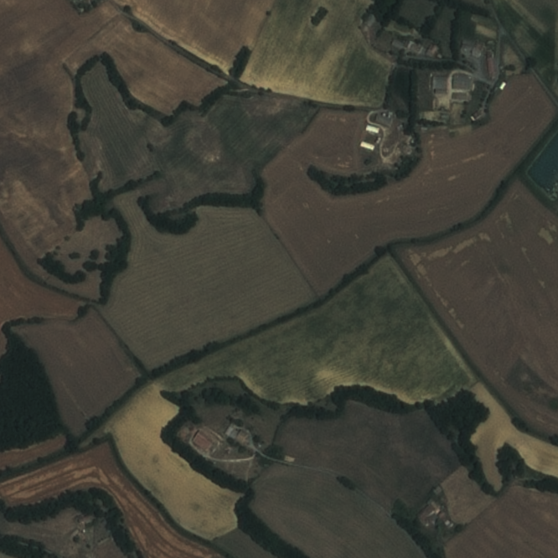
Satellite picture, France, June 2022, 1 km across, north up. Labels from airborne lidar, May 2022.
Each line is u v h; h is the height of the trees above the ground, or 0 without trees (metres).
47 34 0
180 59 0
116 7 0
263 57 0
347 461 0
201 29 0
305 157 0
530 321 0
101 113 0
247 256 0
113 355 0
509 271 0
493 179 0
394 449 0
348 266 0
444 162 0
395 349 0
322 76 0
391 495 0
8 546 13
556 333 0
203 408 0
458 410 18
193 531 0
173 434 9
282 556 16
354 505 0
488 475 0
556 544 0
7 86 0
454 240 0
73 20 0
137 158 0
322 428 0
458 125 0
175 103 0
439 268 0
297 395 0
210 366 0
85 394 0
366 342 0
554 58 0
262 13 0
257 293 0
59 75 0
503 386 0
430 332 0
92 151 0
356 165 0
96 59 12
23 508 19
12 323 12
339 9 0
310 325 0
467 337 0
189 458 19
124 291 0
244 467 0
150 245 0
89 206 17
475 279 0
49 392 6
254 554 0
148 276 0
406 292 0
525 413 0
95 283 0
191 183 0
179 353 0
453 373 0
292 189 0
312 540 0
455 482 0
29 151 0
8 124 0
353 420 0
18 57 0
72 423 0
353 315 0
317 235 0
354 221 0
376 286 0
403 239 0
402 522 16
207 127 0
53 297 0
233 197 12
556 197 0
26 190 0
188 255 0
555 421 0
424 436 0
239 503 13
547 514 0
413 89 15
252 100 0
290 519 0
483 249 0
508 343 0
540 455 0
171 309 0
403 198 0
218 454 0
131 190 9
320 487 0
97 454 0
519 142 0
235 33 0
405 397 0
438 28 0
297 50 0
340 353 0
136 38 0
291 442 0
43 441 15
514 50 0
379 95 0
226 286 0
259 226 0
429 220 0
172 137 0
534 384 0
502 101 0
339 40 0
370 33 0
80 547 0
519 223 0
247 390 10
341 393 14
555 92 0
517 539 0
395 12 17
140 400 0
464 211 0
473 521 0
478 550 0
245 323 0
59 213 0
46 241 0
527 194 0
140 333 0
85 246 0
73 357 0
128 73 0
